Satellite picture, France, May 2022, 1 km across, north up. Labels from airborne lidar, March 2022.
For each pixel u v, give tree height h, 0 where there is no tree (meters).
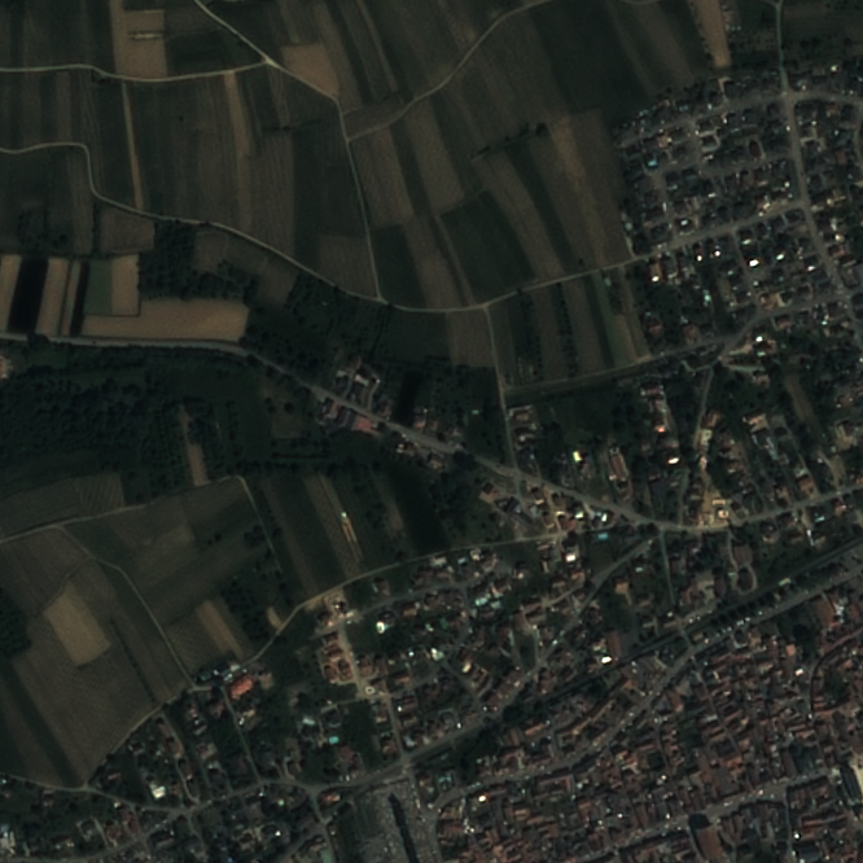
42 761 0
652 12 0
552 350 0
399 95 0
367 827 0
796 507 0
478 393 0
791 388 0
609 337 0
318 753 8
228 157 0
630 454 8
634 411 12
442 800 0
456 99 0
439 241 0
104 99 0
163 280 12
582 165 0
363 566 0
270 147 0
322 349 0
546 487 0
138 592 0
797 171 0
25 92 0
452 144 0
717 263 0
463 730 0
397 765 0
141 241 0
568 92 0
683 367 6
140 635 0
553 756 0
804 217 0
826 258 0
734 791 0
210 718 10
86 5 0
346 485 0
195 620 0
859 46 0
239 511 0
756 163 0
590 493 0
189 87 0
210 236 0
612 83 0
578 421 0
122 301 0
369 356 8
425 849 0
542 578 0
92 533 0
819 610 0
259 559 0
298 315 9
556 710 0
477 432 0
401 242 0
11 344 7
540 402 0
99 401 21
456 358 0
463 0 0
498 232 0
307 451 11
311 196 0
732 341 0
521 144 0
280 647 12
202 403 7
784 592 9
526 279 0
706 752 0
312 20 0
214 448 9
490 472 0
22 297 0
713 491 0
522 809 0
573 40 0
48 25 0
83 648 0
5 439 9
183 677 0
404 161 0
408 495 0
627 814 0
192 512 0
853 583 0
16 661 0
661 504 0
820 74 0
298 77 0
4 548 0
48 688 0
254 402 0
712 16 0
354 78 0
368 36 0
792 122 0
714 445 9
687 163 0
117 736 0
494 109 0
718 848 0
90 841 0
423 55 0
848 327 0
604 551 0
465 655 0
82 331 0
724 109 0
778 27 0
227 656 0
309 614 0
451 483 14
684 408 15
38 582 0
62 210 0
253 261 0
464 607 0
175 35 0
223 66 0
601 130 0
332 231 0
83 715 0
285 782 0
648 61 0
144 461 5
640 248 12
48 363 0
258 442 0
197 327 0
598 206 0
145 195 0
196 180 0
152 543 0
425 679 0
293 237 0
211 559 0
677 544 7
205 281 11
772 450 0
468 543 0
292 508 0
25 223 6
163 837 0
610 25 0
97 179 0
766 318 0
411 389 0
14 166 0
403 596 0
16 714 0
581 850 0
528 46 0
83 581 0
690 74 0
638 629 0
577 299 0
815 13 0
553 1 0
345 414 0
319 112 0
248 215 0
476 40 0
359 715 0
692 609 0
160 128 0
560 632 0
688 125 0
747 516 0
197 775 7
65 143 0
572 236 0
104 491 0
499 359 0
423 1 0
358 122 0
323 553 0
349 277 0
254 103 0
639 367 0
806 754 8
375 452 0
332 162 0
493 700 0
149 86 0
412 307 0
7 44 0
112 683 0
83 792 0
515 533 0
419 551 0
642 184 0
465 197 0
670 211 0
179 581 0
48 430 7
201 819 6
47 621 0
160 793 0
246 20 0
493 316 0
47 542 0
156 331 0
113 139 0
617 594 0
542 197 0
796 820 0
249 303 11
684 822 0
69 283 0
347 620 0
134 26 0
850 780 0
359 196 0
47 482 0
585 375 0
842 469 0
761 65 6
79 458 0
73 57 0
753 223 0
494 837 0
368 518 7
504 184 0
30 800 0
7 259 0
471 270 0
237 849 7
